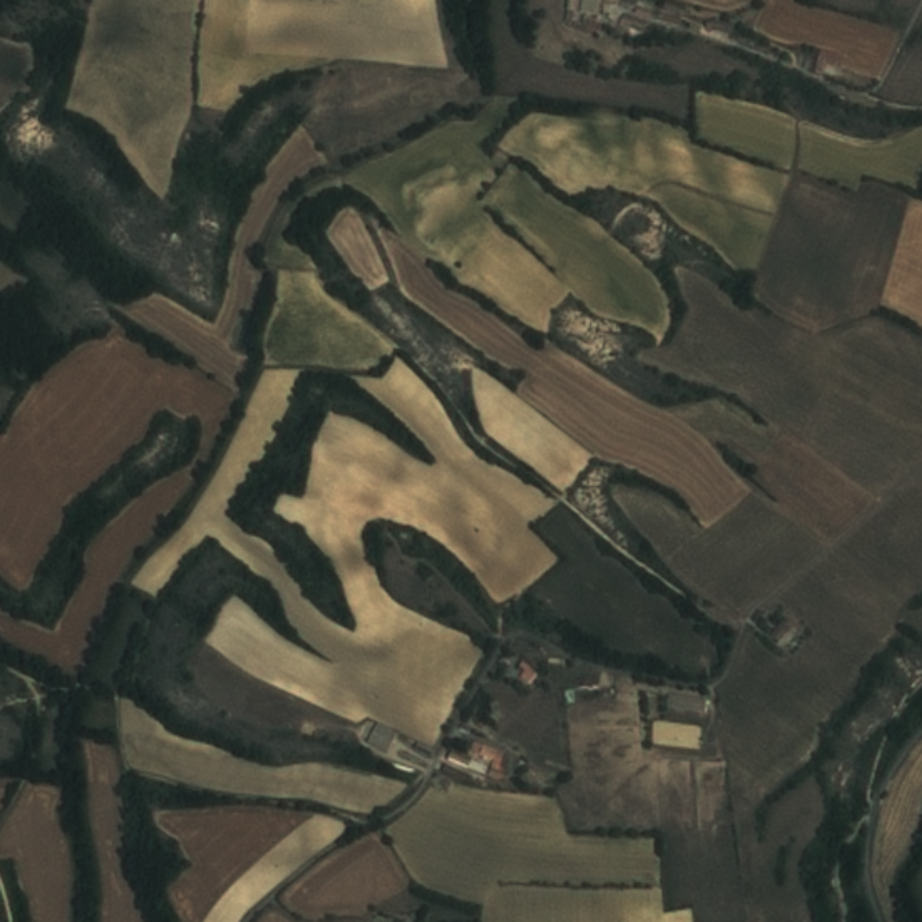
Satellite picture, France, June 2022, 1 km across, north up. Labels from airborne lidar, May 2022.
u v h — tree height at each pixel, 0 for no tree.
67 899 0
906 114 5
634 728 0
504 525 0
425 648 0
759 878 0
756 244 0
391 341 0
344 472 0
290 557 12
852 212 0
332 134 0
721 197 0
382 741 0
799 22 0
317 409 8
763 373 0
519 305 0
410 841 0
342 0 0
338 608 7
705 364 0
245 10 0
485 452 9
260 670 0
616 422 0
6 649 22
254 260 21
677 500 10
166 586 7
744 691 0
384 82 0
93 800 0
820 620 0
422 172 0
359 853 0
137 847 9
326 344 0
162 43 0
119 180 9
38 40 10
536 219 0
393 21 0
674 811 0
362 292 10
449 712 0
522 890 0
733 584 0
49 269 0
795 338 0
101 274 16
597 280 0
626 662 16
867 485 0
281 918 0
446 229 0
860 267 0
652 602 0
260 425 0
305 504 0
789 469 0
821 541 0
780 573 0
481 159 0
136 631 18
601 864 0
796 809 0
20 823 0
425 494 0
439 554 8
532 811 0
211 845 0
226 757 0
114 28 0
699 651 0
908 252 0
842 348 0
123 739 0
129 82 0
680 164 0
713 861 0
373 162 0
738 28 10
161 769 0
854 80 0
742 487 0
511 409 0
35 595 7
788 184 0
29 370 14
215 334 0
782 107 7
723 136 0
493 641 12
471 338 0
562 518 0
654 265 7
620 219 0
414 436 11
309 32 0
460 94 0
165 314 0
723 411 0
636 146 0
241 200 17
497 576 0
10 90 0
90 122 10
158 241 0
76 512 20
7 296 17
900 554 0
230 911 0
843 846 12
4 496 0
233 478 0
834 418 0
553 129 0
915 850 12
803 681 0
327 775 0
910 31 0
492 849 0
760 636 10
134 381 0
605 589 0
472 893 0
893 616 0
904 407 0
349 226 0
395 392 0
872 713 0
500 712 0
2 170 20
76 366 0
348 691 0
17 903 7
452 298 0
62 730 23
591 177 0
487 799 0
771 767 0
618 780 0
